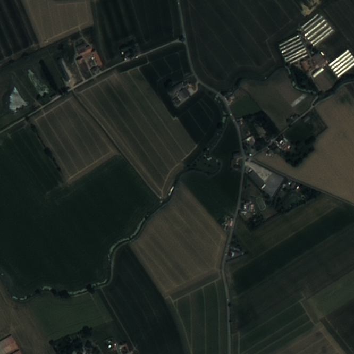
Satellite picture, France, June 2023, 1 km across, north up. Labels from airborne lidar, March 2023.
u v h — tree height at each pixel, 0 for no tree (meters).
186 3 0
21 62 0
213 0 0
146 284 0
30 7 0
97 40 0
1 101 0
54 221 0
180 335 0
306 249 0
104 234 0
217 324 0
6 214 0
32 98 0
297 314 0
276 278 0
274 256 0
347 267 0
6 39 0
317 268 0
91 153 0
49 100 0
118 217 0
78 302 0
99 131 0
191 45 0
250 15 0
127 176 0
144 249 0
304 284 0
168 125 0
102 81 0
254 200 0
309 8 0
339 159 0
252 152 0
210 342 0
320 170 0
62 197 0
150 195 0
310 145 12
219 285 0
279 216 0
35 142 0
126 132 0
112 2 0
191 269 0
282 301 0
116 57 0
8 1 0
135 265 0
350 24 0
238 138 0
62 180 0
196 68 0
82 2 0
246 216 0
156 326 0
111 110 0
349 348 0
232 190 0
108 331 0
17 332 0
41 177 0
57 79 0
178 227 0
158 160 0
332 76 0
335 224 0
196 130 0
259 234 0
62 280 0
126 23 0
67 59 21
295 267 0
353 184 0
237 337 0
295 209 0
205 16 0
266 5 0
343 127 0
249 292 0
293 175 0
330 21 0
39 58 0
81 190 0
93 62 0
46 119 0
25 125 0
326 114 0
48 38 0
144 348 0
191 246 0
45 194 0
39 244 0
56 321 0
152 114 0
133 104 0
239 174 0
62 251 0
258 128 0
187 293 0
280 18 0
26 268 0
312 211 0
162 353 0
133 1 0
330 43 0
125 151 0
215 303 0
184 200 0
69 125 0
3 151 0
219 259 0
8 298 0
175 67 0
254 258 0
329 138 0
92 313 0
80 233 0
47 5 0
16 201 0
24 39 0
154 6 0
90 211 0
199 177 0
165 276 0
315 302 0
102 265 0
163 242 0
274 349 0
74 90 0
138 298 0
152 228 0
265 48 0
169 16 0
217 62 0
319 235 0
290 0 0
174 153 0
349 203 0
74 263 0
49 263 0
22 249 0
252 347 0
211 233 0
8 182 0
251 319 0
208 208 0
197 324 0
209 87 0
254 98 0
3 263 0
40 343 0
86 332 24
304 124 0
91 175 0
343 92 0
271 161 0
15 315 0
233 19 0
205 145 0
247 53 0
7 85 0
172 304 0
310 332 0
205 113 0
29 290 0
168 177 0
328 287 0
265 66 0
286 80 0
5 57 0
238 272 0
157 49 0
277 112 0
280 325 0
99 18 0
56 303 0
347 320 0
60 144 0
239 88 0
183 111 0
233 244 9
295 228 0
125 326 0
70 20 0
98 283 0
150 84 0
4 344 0
